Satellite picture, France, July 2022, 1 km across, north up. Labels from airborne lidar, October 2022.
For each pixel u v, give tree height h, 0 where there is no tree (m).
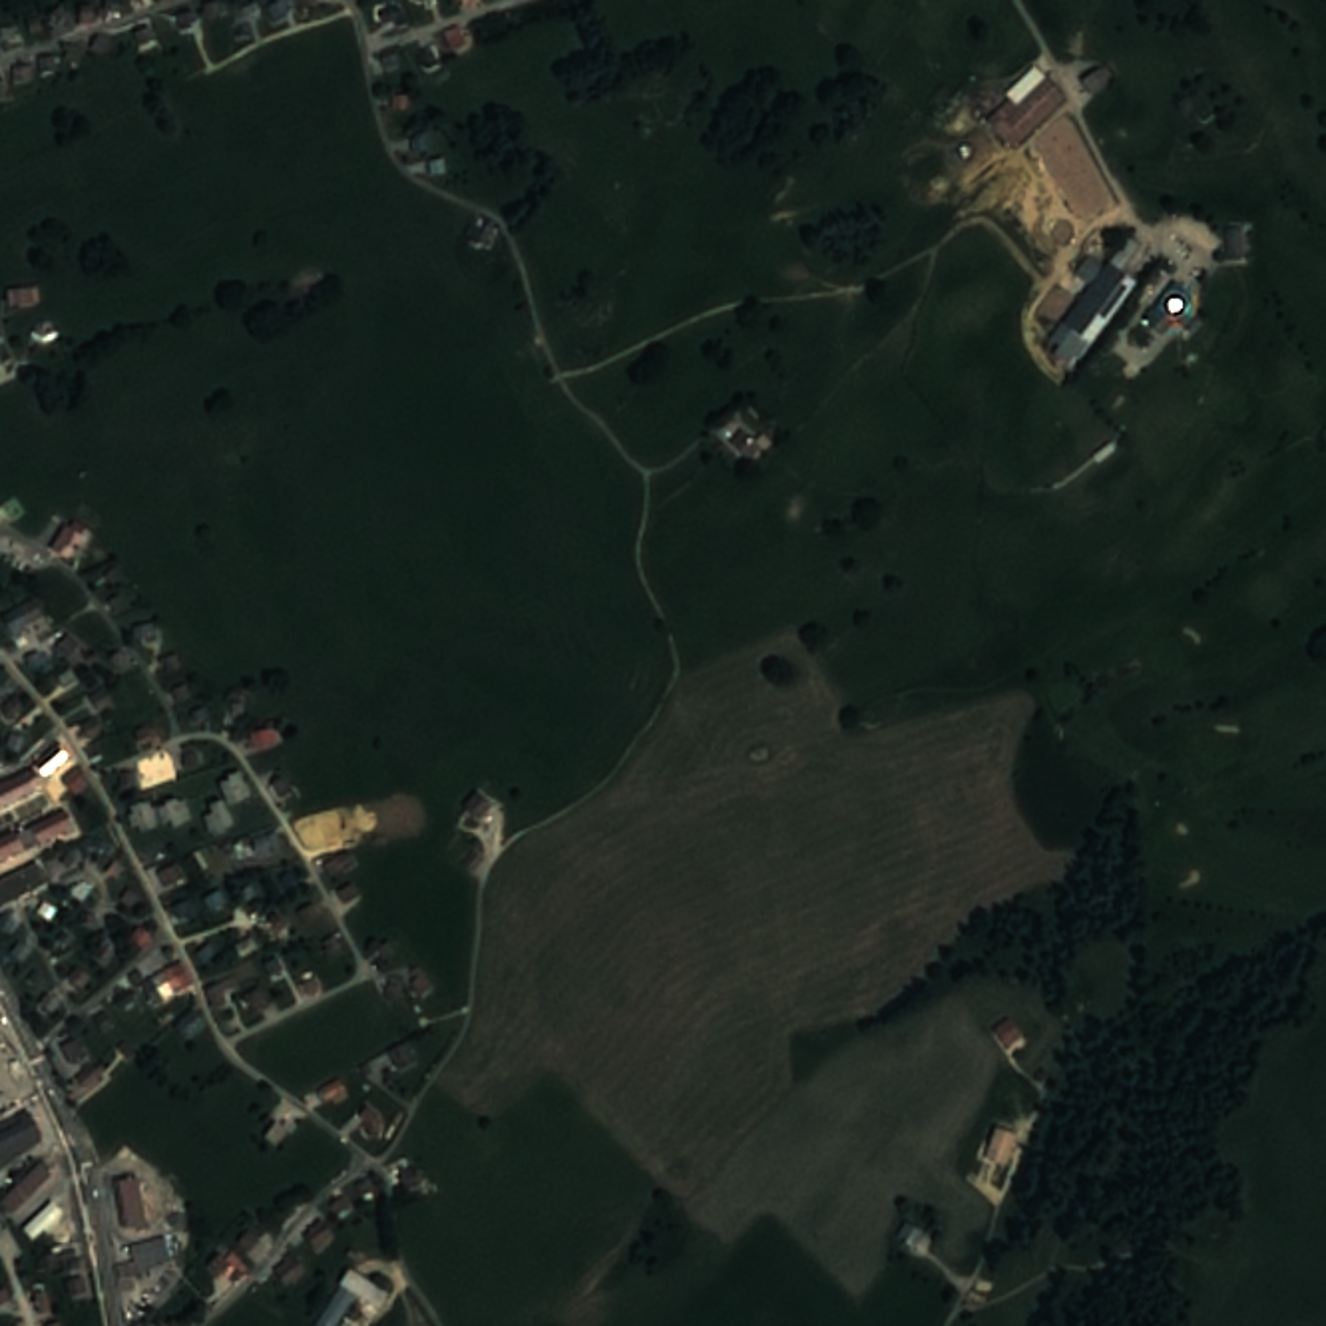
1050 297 0
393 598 0
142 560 0
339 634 0
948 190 0
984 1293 0
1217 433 0
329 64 0
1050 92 0
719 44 0
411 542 0
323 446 0
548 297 0
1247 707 0
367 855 0
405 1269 0
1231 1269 0
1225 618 0
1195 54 0
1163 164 0
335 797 0
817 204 0
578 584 0
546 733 0
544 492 0
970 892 0
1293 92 0
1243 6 0
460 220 0
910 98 0
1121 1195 24
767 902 0
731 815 0
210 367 0
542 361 0
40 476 0
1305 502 0
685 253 0
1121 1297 24
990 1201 0
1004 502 0
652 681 0
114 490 0
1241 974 23
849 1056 0
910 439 0
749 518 0
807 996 0
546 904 0
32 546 0
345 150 0
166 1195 0
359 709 0
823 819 0
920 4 0
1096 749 0
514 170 19
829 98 17
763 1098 0
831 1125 0
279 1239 0
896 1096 0
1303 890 0
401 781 0
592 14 28
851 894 0
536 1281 0
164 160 0
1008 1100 0
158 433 0
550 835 0
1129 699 0
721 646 0
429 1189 0
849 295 0
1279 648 0
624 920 0
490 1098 0
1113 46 0
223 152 0
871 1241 0
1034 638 0
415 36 0
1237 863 0
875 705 0
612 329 0
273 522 0
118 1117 0
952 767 0
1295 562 0
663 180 0
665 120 0
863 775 0
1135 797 6
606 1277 0
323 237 0
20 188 0
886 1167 0
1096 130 0
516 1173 0
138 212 0
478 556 0
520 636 0
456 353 0
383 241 0
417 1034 6
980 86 0
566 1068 0
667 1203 11
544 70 0
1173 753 0
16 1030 0
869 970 0
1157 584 0
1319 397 0
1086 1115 22
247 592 0
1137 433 0
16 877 0
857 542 0
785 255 0
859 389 0
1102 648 0
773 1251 0
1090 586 0
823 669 0
